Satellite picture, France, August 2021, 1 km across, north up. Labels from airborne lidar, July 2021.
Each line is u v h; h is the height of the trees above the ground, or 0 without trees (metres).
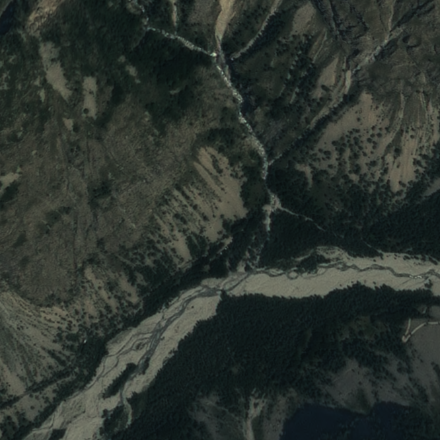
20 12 8
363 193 6
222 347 8
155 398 7
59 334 7
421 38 0
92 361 12
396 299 18
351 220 14
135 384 0
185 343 7
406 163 0
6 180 0
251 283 0
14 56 0
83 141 0
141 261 9
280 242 13
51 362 0
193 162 0
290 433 12
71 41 9
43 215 0
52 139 0
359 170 9
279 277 0
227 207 0
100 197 8
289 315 17
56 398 8
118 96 13
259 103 11
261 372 9
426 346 0
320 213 15
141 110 0
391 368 0
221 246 10
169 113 11
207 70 8
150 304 11
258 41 15
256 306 11
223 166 0
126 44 11
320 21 0
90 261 7
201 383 8
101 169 0
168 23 14
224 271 18
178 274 9
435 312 0
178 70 17
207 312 0
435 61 0
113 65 7
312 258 12
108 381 0
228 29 0
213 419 0
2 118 0
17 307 0
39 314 0
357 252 13
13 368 0
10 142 0
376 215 16
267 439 0
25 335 0
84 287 7
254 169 11
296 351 16
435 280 0
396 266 0
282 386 17
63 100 0
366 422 0
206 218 14
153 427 13
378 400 7
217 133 12
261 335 16
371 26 0
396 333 9
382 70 0
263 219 12
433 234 16
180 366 7
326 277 0
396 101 0
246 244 15
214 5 0
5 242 0
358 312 16
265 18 0
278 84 0
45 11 0
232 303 12
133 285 12
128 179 0
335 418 7
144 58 11
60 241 0
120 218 8
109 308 9
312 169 8
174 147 0
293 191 16
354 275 0
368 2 0
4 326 0
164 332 0
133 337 0
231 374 10
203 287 0
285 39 10
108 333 7
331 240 13
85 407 0
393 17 0
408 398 0
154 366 0
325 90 12
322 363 13
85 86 0
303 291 0
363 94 0
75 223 8
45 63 0
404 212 11
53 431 6
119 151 0
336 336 15
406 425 7
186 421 11
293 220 12
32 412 0
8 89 0
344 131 0
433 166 9
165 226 0
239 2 0
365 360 17
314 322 22
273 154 9
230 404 6
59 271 0
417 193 9
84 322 7
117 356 0
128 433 11
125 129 0
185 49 13
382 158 8
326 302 16
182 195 6
